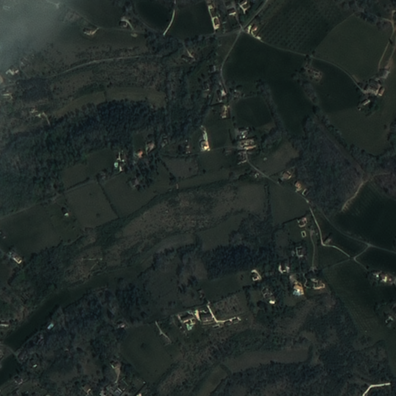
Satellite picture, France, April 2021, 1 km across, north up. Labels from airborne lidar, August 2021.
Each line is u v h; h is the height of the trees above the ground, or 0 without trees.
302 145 20
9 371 0
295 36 6
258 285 12
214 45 18
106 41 0
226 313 9
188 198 12
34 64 8
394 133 21
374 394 12
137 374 6
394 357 0
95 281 0
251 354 0
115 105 11
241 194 0
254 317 6
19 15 7
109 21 0
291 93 0
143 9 0
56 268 18
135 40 0
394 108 0
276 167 0
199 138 0
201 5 0
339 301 7
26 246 0
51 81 10
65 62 0
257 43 0
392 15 0
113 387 10
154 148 6
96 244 9
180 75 14
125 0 16
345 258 0
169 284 0
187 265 10
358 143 0
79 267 9
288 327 0
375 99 9
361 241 0
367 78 0
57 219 0
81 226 0
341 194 24
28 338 7
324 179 23
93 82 9
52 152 23
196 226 8
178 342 8
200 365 6
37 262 28
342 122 0
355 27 0
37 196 19
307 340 10
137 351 0
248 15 15
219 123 0
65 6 10
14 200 21
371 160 21
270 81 0
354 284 0
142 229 0
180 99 6
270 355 0
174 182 13
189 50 21
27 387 0
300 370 6
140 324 15
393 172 11
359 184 18
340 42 0
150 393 7
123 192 0
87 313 10
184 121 8
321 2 13
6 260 18
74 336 17
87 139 16
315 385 8
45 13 0
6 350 9
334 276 0
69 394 7
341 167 23
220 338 8
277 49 0
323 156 23
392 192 19
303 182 21
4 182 32
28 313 13
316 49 0
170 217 6
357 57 0
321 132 20
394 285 7
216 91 15
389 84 0
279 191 0
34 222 0
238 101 8
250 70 0
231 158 0
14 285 22
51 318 11
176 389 5
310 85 15
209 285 0
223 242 0
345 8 18
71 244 13
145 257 0
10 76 13
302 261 6
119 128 16
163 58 11
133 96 0
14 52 18
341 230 0
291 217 0
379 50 0
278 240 0
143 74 9
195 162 10
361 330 0
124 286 12
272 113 11
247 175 9
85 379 9
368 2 20
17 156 17
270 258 11
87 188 0
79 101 0
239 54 0
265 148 15
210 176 0
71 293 0
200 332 0
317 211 14
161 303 0
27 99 19
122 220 6
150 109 6
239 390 0
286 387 5
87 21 0
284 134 19
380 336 0
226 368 6
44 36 0
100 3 0
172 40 17
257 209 0
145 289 9
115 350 21
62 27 0
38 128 0
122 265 13
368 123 0
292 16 6
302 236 0
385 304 17
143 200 0
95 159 0
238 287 0
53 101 10
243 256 20
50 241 0
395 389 16
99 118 12
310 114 0
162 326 6
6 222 0
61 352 15
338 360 6
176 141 15
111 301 21
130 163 13
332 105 0
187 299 0
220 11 14
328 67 0
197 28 0
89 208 0
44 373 11
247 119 0
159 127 11
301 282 8
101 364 0
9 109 17
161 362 0
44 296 14
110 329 19
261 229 7
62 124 17
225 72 0
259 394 8
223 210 0
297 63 0
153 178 11
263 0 14
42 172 21
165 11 0
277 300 11
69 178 0
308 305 0
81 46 0
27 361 6
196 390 11
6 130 10
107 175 13
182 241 0
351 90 0
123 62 11
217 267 8
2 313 15
